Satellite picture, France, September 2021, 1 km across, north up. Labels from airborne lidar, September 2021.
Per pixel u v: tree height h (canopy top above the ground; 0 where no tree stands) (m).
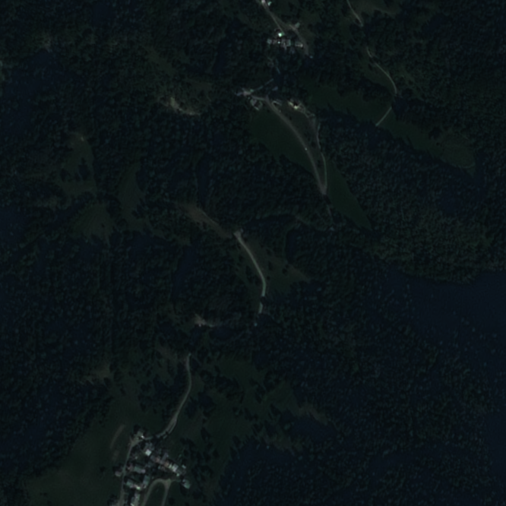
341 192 0
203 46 25
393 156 12
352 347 21
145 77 6
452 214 15
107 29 21
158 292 15
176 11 34
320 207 27
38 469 23
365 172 15
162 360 14
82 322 17
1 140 27
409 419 25
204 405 6
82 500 0
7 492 22
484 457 14
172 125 29
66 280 12
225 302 31
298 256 25
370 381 19
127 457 0
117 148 23
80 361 20
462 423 16
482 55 21
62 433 27
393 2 11
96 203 17
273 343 7
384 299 25
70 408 17
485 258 22
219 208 21
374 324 24
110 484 0
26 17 23
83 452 0
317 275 24
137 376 8
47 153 31
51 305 19
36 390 24
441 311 19
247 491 28
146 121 26
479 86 21
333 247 17
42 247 0
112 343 7
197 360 0
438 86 24
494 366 10
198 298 30
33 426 13
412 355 12
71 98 28
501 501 19
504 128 20
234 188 25
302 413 0
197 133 20
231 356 20
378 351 24
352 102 0
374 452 15
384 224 14
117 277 21
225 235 0
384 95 25
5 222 6
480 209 20
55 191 7
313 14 21
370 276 20
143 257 32
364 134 21
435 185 23
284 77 17
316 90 0
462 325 9
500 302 8
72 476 0
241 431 0
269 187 26
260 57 13
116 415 0
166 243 0
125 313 27
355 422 26
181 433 0
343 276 24
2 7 19
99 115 28
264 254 0
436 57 16
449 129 28
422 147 0
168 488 0
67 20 19
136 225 0
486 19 18
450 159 0
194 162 16
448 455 16
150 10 27
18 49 20
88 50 20
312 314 20
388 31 19
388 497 19
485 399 22
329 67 26
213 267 27
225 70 23
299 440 16
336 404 14
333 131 18
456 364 16
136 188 0
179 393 15
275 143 0
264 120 0
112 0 30
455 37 20
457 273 25
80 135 18
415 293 24
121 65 20
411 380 26
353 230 23
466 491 18
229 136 27
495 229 22
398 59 16
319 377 16
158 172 17
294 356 21
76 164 0
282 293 0
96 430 0
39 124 31
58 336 26
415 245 19
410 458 11
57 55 16
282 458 0
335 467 21
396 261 7
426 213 17
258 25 20
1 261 9
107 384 15
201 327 0
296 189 19
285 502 30
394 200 16
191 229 8
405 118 28
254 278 11
